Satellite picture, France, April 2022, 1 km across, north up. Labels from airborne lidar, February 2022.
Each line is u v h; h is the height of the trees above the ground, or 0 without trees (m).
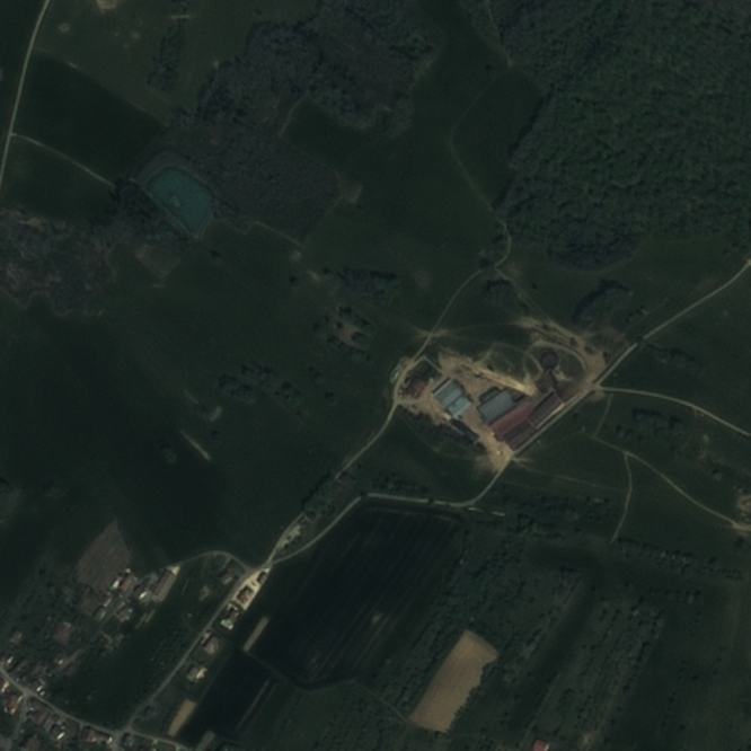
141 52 0
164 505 0
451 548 0
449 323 0
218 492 0
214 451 0
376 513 0
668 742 0
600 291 0
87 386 0
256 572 0
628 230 26
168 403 0
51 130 0
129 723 0
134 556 0
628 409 0
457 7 0
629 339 0
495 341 0
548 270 0
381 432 0
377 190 0
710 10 28
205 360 0
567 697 7
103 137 0
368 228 0
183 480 0
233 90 28
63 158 0
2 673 0
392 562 0
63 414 0
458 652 0
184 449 0
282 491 0
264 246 0
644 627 9
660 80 30
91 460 0
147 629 0
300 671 0
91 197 0
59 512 0
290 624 0
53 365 0
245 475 0
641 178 26
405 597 0
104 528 0
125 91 0
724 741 0
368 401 0
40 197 0
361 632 0
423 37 26
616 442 0
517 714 0
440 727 0
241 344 0
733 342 0
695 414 0
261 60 24
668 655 0
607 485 0
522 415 0
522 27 24
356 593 0
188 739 0
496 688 0
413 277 0
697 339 0
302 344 0
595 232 29
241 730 0
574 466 0
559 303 0
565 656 0
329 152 0
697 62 26
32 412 0
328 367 0
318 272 0
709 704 0
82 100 0
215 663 0
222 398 0
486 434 0
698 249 0
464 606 10
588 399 0
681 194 28
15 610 0
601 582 0
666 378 0
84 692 0
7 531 0
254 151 6
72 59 0
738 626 0
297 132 0
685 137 26
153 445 0
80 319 0
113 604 0
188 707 0
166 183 0
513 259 0
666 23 27
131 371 0
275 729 0
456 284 0
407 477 0
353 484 14
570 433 0
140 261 0
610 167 25
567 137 21
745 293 0
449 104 0
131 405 0
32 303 0
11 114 0
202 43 0
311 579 0
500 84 0
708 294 0
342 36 0
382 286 23
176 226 0
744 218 26
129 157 0
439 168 0
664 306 0
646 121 24
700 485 0
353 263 0
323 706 0
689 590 0
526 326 0
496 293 19
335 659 0
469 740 0
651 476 0
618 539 0
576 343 9
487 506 0
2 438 0
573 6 25
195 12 0
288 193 14
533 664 0
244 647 0
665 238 14
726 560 0
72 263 0
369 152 0
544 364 0
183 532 0
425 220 0
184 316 0
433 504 9
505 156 0
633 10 27
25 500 0
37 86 0
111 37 0
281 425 0
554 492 0
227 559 0
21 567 0
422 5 0
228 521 0
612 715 0
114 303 0
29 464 0
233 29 0
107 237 23
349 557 0
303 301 0
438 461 0
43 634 13
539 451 0
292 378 0
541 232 27
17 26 0
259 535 0
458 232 0
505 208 20
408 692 7
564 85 16
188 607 0
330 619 0
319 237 0
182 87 0
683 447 0
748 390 0
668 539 0
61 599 6
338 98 10
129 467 0
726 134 30
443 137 0
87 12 0
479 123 0
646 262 0
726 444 0
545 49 16
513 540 8
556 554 0
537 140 19
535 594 0
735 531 0
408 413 7
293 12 0
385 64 0
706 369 13
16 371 0
